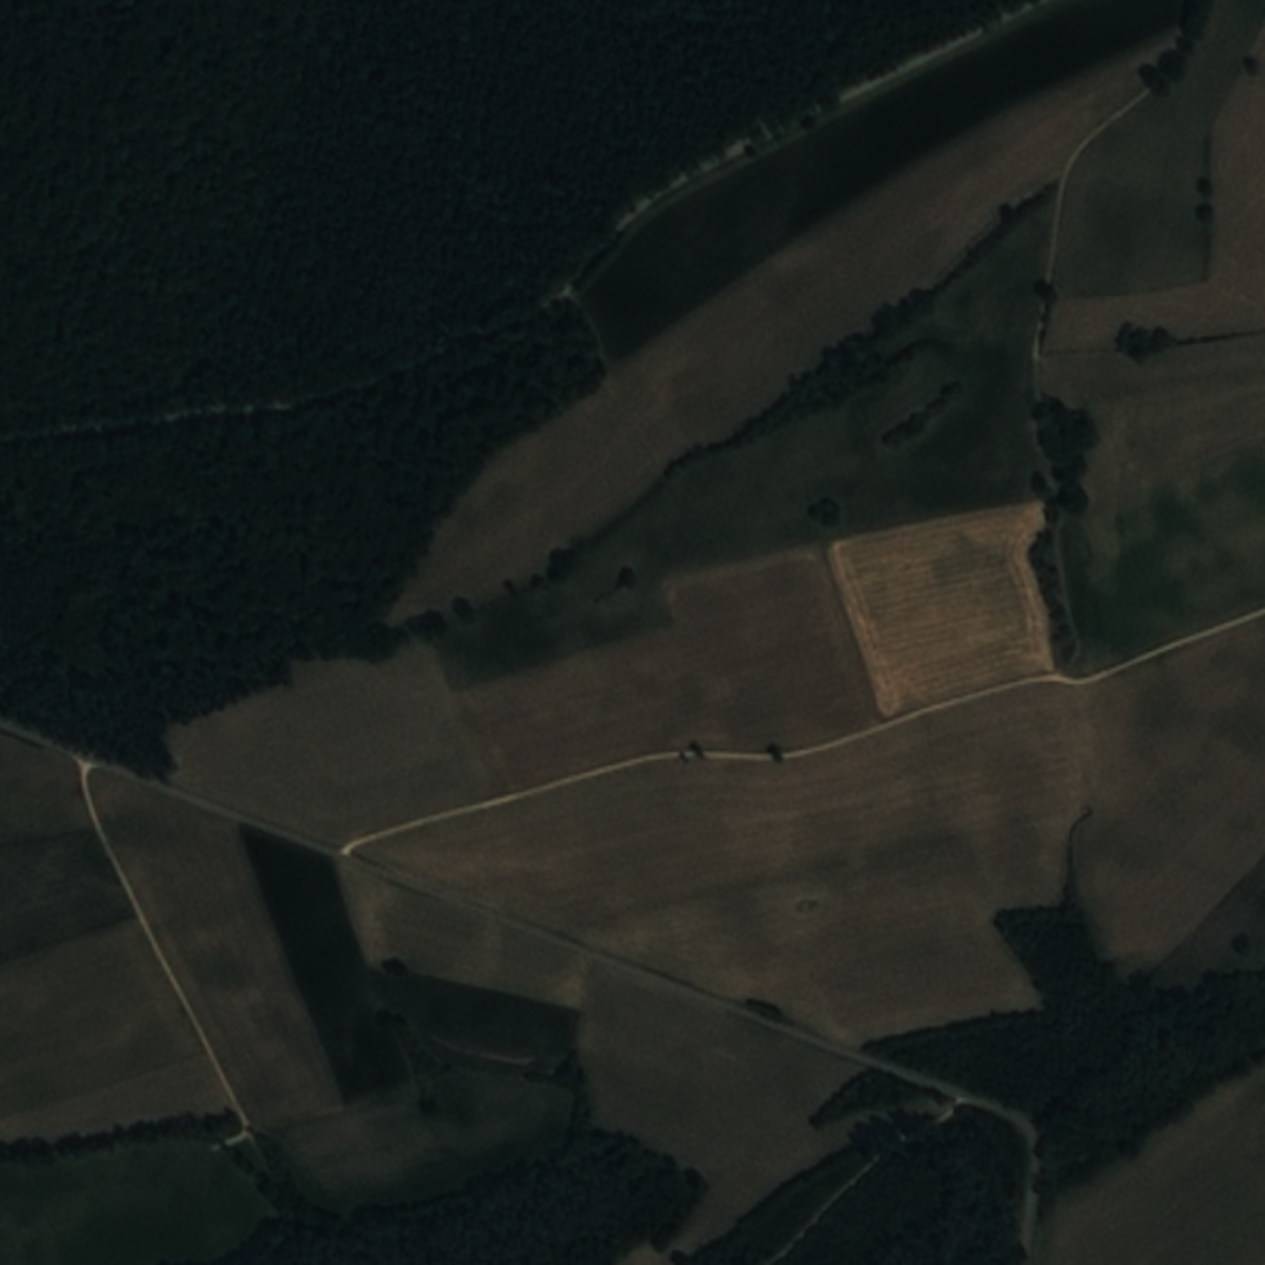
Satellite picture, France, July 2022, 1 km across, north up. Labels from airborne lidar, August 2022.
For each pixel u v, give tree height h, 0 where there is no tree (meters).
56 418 17
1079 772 0
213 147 10
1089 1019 9
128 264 18
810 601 0
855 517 0
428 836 0
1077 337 0
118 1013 0
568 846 0
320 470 16
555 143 19
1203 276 0
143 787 0
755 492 0
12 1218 0
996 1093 10
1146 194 0
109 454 14
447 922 0
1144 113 0
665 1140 0
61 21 18
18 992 0
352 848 0
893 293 0
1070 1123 10
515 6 10
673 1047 0
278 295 14
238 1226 0
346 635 22
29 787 0
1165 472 0
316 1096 0
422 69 22
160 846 0
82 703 19
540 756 0
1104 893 0
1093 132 0
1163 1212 0
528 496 0
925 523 0
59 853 0
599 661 0
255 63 16
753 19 21
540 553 0
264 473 16
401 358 20
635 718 0
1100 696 0
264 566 18
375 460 22
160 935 0
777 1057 0
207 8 21
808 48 17
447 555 0
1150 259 0
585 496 0
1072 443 13
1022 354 0
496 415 19
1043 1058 10
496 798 0
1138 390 0
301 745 0
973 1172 8
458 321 15
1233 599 0
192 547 23
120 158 17
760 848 0
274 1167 12
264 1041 0
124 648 16
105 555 8
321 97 22
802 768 0
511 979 0
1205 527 0
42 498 15
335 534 17
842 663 0
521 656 0
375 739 0
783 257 0
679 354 0
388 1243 23
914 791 0
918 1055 7
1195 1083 17
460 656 0
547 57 19
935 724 0
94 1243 0
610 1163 12
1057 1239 0
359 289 17
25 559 8
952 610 0
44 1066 0
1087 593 0
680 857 0
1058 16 0
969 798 0
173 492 18
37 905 0
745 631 0
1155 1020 16
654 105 21
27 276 17
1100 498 0
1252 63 13
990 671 0
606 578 0
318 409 19
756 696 0
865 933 0
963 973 0
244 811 0
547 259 15
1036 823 0
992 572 0
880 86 0
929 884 0
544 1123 0
